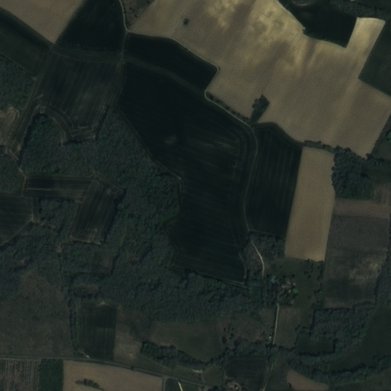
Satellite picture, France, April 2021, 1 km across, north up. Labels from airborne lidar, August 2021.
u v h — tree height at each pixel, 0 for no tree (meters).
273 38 0
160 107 0
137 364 0
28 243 9
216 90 0
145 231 13
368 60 0
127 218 25
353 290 0
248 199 0
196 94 0
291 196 0
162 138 0
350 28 0
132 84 0
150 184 17
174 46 0
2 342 0
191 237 0
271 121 0
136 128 0
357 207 0
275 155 0
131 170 21
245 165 0
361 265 0
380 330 0
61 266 11
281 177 0
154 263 20
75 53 0
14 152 0
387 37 0
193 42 0
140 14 0
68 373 0
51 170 23
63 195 0
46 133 25
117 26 0
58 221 15
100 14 0
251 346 14
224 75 0
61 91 0
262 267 6
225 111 0
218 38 0
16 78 18
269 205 0
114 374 0
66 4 0
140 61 0
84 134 0
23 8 0
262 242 13
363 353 0
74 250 15
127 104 0
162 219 23
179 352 9
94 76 0
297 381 0
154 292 20
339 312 12
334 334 13
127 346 0
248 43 0
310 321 0
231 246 0
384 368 6
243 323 0
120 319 0
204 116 0
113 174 19
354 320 16
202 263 0
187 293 21
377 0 0
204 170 0
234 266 0
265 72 0
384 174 0
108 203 0
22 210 0
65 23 0
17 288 19
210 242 0
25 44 0
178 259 0
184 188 0
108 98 0
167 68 0
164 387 0
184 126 0
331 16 0
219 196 0
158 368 0
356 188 26
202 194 0
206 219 0
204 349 0
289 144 0
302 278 0
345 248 0
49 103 0
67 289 12
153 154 0
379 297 19
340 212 0
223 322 0
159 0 0
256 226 0
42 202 17
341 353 18
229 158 0
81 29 0
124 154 25
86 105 0
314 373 9
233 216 0
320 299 13
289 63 0
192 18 0
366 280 0
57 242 10
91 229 0
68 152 23
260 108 12
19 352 0
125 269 15
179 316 23
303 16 0
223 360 12
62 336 0
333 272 0
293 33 0
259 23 0
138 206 25
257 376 0
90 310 0
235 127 0
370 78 0
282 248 16
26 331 0
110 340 0
